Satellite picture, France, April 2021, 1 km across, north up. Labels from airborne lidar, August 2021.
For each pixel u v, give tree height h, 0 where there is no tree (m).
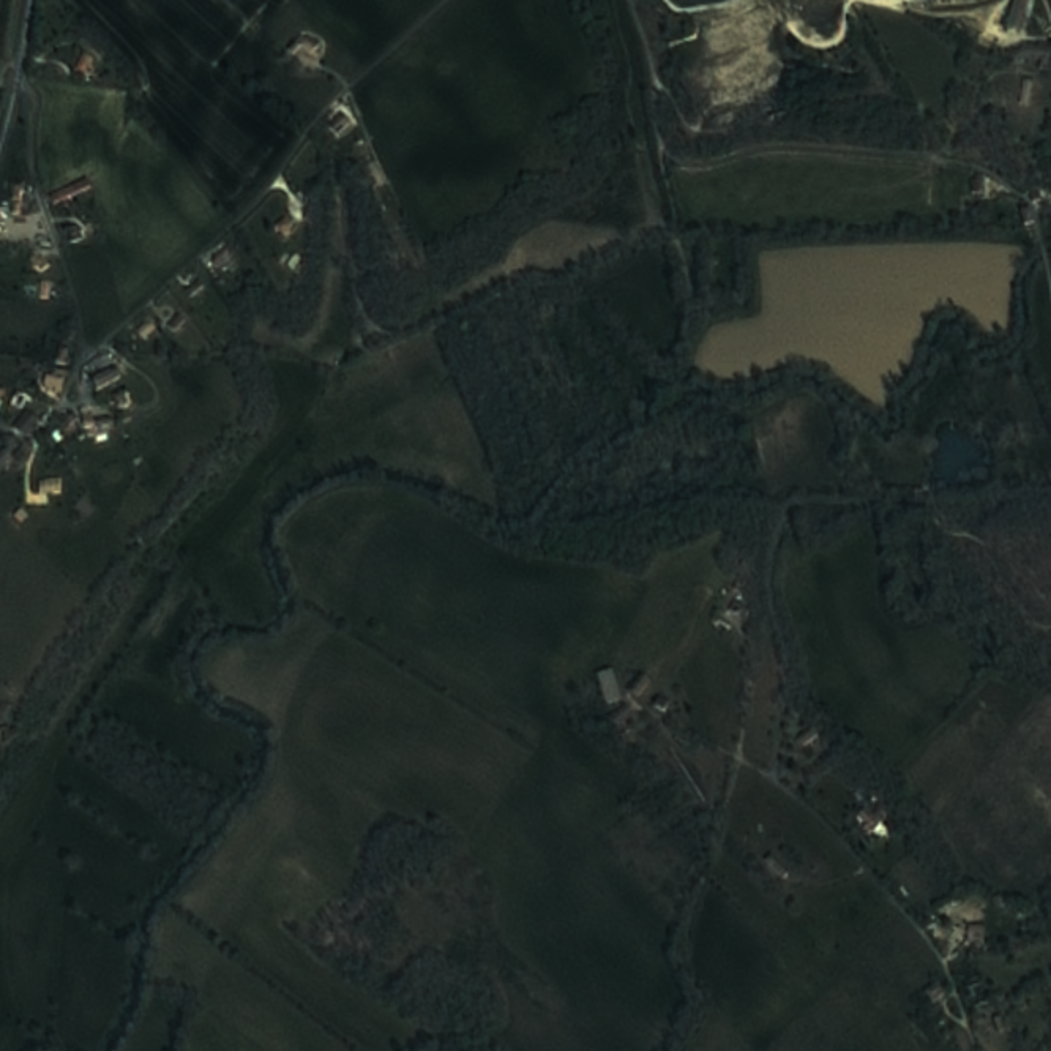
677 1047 17
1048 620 14
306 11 0
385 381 0
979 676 14
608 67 8
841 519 15
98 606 19
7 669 0
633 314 0
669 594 0
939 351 9
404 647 0
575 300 11
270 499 0
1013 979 0
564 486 18
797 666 19
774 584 21
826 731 12
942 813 0
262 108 20
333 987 0
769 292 0
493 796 0
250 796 17
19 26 0
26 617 0
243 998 0
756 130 9
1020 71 0
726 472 12
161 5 0
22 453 9
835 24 0
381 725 0
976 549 8
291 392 0
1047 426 11
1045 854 0
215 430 0
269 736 25
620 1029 0
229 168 0
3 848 0
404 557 0
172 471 0
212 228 0
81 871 15
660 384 15
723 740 0
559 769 0
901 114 12
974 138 17
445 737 0
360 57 0
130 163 0
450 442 0
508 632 0
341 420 0
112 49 13
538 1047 0
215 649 13
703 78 0
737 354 0
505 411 13
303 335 18
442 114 0
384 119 0
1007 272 0
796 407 0
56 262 0
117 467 0
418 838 16
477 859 0
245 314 16
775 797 0
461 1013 13
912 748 0
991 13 0
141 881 0
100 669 0
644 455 16
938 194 0
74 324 9
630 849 0
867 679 0
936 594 22
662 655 0
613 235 0
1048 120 7
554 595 0
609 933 0
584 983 0
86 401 0
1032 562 11
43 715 18
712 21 0
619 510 21
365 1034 0
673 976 10
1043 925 18
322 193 17
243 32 0
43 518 0
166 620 0
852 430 18
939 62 0
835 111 8
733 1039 0
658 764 15
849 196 0
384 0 0
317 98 0
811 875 0
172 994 19
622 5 0
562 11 0
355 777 0
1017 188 21
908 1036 0
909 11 7
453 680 0
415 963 11
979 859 0
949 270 0
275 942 0
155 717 0
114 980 0
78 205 7
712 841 12
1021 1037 10
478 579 0
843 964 0
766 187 0
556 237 0
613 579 0
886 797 18
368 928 13
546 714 0
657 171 6
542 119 0
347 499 0
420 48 0
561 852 0
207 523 0
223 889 0
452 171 0
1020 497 23
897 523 22
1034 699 0
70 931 0
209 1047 0
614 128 7
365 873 13
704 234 18
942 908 7
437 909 0
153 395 0
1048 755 0
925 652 0
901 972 0
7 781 13
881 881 6
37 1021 0
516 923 0
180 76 0
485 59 0
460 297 0
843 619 0
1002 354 13
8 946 0
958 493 17
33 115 0
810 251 0
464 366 16
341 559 0
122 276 0
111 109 0
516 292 14
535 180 9
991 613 13
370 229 13
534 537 22
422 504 0
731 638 12
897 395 26
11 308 0
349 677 0
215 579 0
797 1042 0
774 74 0
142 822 0
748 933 0
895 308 0
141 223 0
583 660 0
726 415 13
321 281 20
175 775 15
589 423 10
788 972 0
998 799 0
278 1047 0
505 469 13
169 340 0
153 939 26
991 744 0
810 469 0
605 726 12
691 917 10
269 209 0
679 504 16
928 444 23
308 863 0
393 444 0
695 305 15
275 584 15
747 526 19
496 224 15
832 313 0
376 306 17
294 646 0
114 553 0
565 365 14
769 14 0
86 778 0
